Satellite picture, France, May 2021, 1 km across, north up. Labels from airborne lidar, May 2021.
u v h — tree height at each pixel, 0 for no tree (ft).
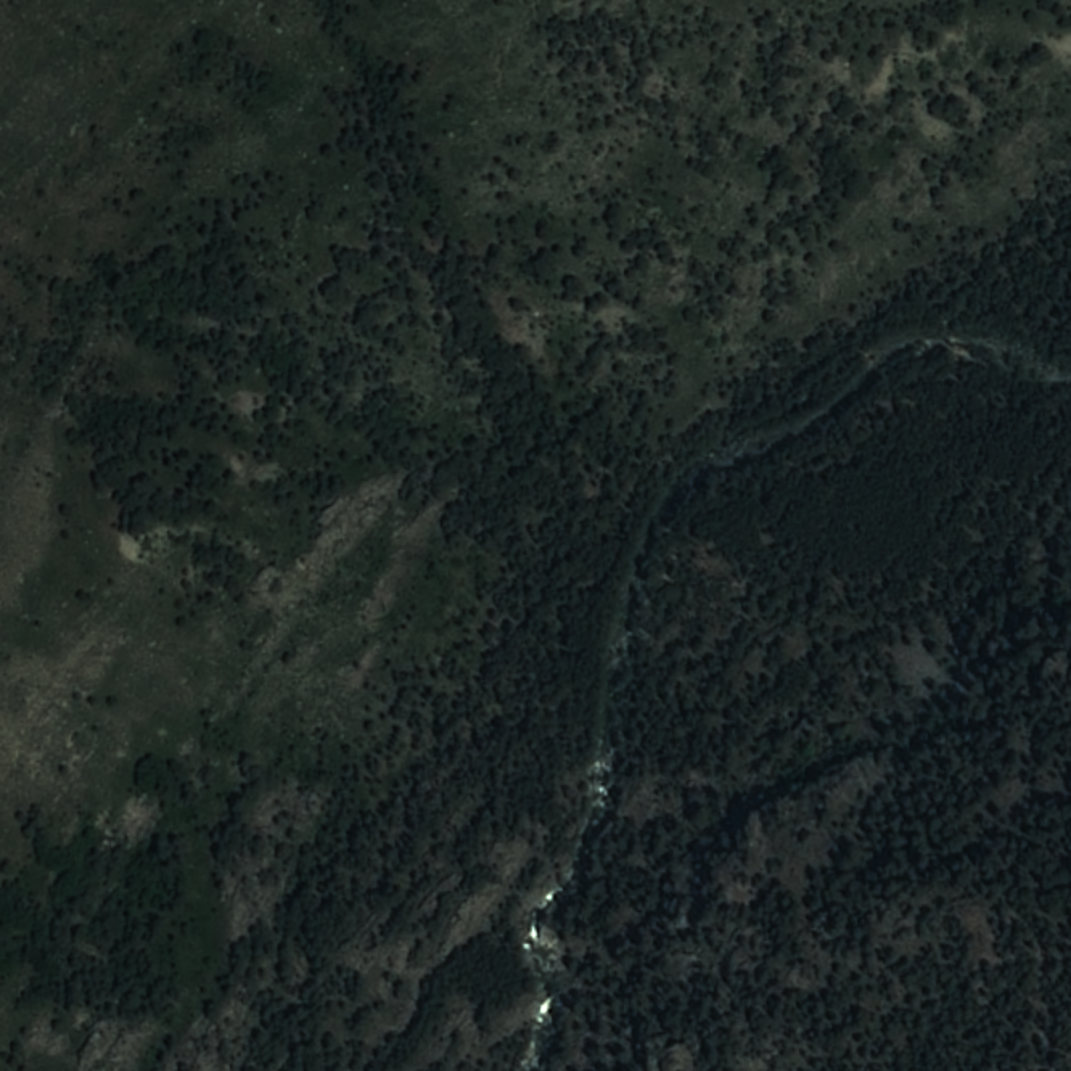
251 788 73
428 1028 66
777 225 46
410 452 83
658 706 81
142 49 0
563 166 40
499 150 0
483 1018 61
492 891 0
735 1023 27
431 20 0
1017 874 43
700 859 26
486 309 78
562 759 57
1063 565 56
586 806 44
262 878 37
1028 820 87
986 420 68
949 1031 79
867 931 53
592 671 106
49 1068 0
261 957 78
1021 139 0
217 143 0
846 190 56
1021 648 28
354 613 0
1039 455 62
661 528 94
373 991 0
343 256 74
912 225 57
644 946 77
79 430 27
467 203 0
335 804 84
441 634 30
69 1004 72
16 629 0
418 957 50
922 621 68
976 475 72
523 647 65
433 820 94
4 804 0
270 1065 46
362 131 79
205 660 0
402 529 0
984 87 102
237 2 0
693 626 28
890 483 86
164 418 72
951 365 85
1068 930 59
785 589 76
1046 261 82
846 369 83
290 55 0
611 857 59
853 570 65
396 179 65
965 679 0
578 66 37
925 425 71
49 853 66
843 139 43
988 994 68
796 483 80
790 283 52
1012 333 70
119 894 53
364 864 98
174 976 28
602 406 78
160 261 90
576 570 100
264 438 47
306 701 0
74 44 0
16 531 0
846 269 0
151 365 0
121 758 0
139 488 88
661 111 67
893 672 38
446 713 73
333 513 0
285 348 45
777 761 36
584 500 77
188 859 67
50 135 0
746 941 49
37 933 52
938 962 50
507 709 67
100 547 0
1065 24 50
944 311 86
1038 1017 44
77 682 0
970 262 69
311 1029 71
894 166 0
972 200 0
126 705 0
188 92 0
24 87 0
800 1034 56
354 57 31
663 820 49
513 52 0
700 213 48
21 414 0
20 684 0
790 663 45
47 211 0
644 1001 102
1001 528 51
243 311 46
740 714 70
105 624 0
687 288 34
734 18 0
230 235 33
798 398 87
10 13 0
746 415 90
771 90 70
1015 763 89
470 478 83
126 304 33
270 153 0
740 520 66
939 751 68
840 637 42
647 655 94
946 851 98
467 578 0
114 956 77
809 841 40
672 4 0
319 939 92
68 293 45
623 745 71
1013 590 105
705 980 53
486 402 40
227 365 58
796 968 31
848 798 0
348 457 62
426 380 0
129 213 36
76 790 0
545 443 90
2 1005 0
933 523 76
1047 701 83
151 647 0
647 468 45
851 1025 53
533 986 59
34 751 0
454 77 0
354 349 53
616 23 51
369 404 46
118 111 0
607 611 107
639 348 58
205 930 0
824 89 44
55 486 0
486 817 54
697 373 0
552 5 0
